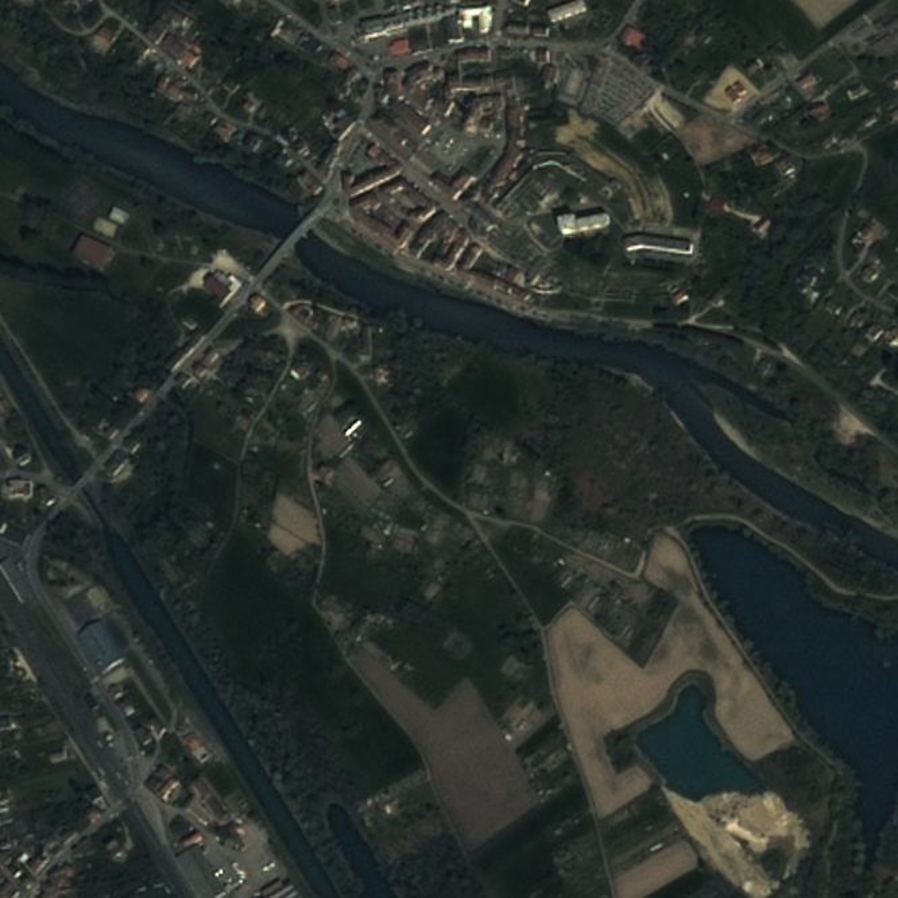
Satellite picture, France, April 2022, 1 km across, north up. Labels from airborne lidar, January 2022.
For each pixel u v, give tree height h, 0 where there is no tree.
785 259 25
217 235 9
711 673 0
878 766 0
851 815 8
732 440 0
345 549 0
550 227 0
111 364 0
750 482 0
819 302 6
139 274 0
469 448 13
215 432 0
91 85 0
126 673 0
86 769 0
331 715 0
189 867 0
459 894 0
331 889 0
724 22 7
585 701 0
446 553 0
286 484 0
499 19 0
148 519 0
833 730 0
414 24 0
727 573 0
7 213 0
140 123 0
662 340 15
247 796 0
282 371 10
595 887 0
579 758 0
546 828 0
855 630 0
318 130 7
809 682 0
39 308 0
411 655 0
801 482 0
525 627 17
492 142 0
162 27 0
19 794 0
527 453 17
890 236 0
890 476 0
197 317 0
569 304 0
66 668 0
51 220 29
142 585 0
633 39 0
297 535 0
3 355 0
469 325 0
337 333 0
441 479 0
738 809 0
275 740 23
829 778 0
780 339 12
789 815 0
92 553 17
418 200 0
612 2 0
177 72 0
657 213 0
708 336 15
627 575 0
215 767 0
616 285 0
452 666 0
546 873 0
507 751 0
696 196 0
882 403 15
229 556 0
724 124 0
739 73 0
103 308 0
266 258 13
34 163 0
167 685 0
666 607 7
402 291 0
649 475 0
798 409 17
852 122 0
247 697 19
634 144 0
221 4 0
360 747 0
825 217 9
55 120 0
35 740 0
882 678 0
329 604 10
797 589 0
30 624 0
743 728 0
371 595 0
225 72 0
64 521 11
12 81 0
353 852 0
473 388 0
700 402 0
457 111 0
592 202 0
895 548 0
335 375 0
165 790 0
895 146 0
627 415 0
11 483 0
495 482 0
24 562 0
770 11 0
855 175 0
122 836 0
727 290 14
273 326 0
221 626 0
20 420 15
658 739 0
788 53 0
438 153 0
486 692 0
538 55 0
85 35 0
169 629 0
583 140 0
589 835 0
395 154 0
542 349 0
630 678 0
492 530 0
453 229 0
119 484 0
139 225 0
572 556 0
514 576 0
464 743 0
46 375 0
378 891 0
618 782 0
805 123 8
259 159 13
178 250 0
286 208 0
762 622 0
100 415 0
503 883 0
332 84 14
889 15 0
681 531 14
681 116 0
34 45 19
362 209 0
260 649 0
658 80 14
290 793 18
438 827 19
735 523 0
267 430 0
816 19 0
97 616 0
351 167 0
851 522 0
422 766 0
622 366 0
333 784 13
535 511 0
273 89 0
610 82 0
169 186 0
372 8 0
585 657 0
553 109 7
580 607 0
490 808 0
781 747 0
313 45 0
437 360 10
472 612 0
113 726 0
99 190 0
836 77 0
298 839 0
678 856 0
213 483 0
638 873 0
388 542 0
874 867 11
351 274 0
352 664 0
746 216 0
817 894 20
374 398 0
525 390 0
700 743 0
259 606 0
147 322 10
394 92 0
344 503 0
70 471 0
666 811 0
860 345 0
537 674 0
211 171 0
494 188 0
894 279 0
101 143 0
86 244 0
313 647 0
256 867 0
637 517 7
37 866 0
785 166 0
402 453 0
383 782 0
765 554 0
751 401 0
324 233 0
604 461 0
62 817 13
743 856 0
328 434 0
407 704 0
